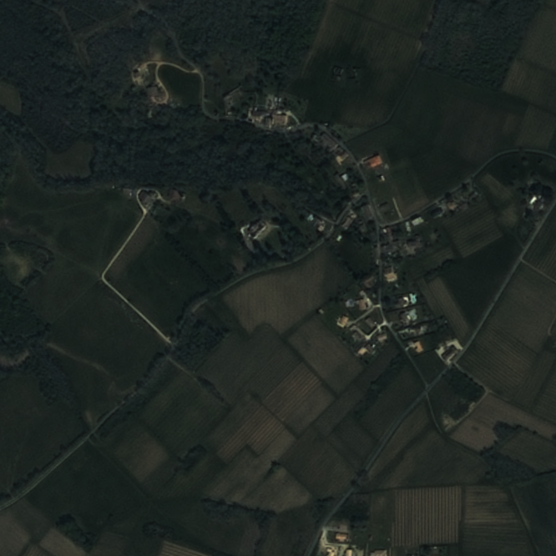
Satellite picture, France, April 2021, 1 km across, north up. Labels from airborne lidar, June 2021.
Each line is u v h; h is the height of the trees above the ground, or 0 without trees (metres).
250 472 0
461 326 0
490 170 0
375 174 0
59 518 0
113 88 20
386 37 0
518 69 0
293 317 0
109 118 15
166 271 0
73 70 8
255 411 0
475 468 0
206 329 21
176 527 0
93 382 0
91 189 14
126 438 0
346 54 0
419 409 0
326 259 0
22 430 0
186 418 0
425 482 0
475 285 0
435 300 0
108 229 0
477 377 0
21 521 0
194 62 8
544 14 0
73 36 0
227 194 14
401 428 0
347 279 0
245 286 0
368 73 0
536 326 0
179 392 0
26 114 8
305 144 16
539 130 0
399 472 0
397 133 0
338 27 0
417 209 0
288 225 19
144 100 15
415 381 0
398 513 0
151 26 16
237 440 0
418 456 0
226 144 23
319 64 0
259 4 16
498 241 0
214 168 23
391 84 0
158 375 13
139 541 0
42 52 23
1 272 6
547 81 0
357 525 13
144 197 0
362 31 0
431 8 0
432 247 11
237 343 0
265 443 0
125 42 15
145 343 0
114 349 0
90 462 0
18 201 0
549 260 0
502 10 6
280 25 19
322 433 0
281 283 0
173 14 15
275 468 11
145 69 0
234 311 0
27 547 0
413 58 0
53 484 0
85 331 0
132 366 0
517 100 0
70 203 0
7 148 21
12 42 18
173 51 19
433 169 0
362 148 0
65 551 0
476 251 0
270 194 0
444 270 6
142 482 0
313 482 0
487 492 0
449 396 0
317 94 0
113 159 20
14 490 9
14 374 12
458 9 11
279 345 0
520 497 0
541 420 0
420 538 0
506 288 0
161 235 0
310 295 0
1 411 0
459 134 0
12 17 18
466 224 0
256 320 0
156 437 0
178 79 0
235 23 19
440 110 0
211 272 0
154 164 27
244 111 9
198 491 0
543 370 0
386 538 0
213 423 0
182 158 12
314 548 0
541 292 0
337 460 0
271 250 21
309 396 0
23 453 0
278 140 16
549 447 0
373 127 0
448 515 0
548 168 0
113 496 0
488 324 0
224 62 16
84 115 21
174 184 7
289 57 17
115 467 0
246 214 0
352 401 0
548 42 0
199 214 0
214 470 0
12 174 15
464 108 0
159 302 0
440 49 11
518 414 0
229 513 13
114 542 0
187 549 0
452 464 0
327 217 13
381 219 0
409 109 0
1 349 21
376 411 0
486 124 0
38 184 12
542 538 0
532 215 17
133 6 13
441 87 0
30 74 17
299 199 18
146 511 0
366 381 0
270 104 6
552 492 0
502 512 0
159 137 20
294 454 0
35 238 0
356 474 0
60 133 7
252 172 20
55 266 0
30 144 22
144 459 0
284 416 0
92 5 6
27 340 13
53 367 16
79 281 0
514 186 9
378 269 7
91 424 0
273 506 0
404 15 0
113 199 0
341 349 0
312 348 0
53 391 8
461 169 0
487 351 0
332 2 0
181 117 16
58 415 0
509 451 0
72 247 0
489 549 0
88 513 0
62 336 0
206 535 0
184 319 11
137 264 0
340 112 0
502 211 0
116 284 0
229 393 0
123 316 0
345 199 12
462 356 0
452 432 0
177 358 19
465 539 0
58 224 0
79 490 0
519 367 0
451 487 0
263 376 0
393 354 0
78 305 0
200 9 13
